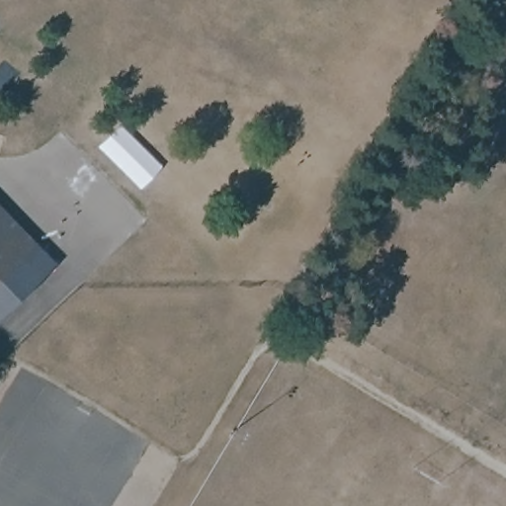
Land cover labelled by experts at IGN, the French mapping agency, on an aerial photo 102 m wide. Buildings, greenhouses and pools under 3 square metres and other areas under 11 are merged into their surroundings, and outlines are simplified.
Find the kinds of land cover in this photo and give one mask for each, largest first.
<instances>
[{"label":"herbaceous vegetation","instance_id":"1","mask_svg":"<svg viewBox=\"0 0 506 506\"><path fill-rule=\"evenodd\" d=\"M449 6V0H0V95L12 101L16 107H22L24 111L20 113L18 121L0 123V158L24 156L45 146L55 134H67L71 140L69 148H73L81 156L83 164L93 166V170L97 172V182L117 188L144 217V223L138 227L136 233H132L117 251H107L103 259L97 263V267L83 277V283H79L77 287L79 293L69 298L57 312H53L49 320L42 322L32 340L16 348L14 364L26 362L42 370L49 374L47 381L59 387L63 393L79 399V413L95 415L99 411L113 423L121 425L128 433L136 435L142 441V447L146 449L148 445H156L158 449L176 457V468L154 506H506V476L488 468L486 464L478 463L474 457L463 453L453 443L437 437L435 433L421 427V423H415L409 417L397 413L395 409L383 405L378 399L370 397L356 385H352L350 381L338 378L334 372L320 366V358H308L306 362H285L279 360L269 348L263 356L257 358L247 378L243 379L239 391L229 403L227 411L223 413L219 425L215 427L208 445L200 451L196 459L184 461V455L190 453L202 439L215 411L221 407L227 391L231 389L245 362L249 360L251 352L255 350V346H259L257 338L263 332L267 312L273 308L275 300L283 296L285 285L306 269L304 255L314 249L322 259L334 263L336 271L328 275H318L306 287V291L314 298H320L326 291L338 293L342 298V304L334 314V338H330L324 344V354L328 360H334L340 366H346L358 376L378 385L381 391L391 393L401 403L429 415L449 431H455L472 447H478L506 463V0H486L478 2L476 6L500 34L504 47V61H490L482 67H472L464 63L463 57L455 49L451 36H457V26L443 16L445 8ZM45 24L53 32L63 36L61 45L43 47L38 32ZM433 32L445 38L441 43L445 55V67L439 75L441 81H449L453 87H459L463 83L464 73H482L484 87L492 89V97L496 99V103L494 115L488 126L490 136L472 134L474 117L478 111L476 105L443 101L427 111V119L429 123L447 126L449 132L459 136V144H447L441 134L425 132L403 119L395 128V132L399 134V146L395 150L391 146L381 148V154H385L391 164L385 166L378 158L372 162V168L376 174L405 178L407 168L419 166L411 140V136H419L423 138V142L433 144L443 154H449L451 162L459 166H466V160L472 154V150L486 152L488 156L482 168H478L476 172L484 174L488 180L480 186L459 182L443 200H423L417 210H411L403 206V202L393 200V190L389 188L364 190L362 194H354V198L364 200L368 204V208L354 210V217L360 223V233L366 237L368 233L376 231L378 243L370 245L368 249V257L372 261H368L360 269L350 267V231L336 229L342 237L340 245L332 243L330 235L326 233L330 229V210L336 206L334 188L338 180L346 178L352 156L356 152H362L372 142L374 130L389 117L387 109L395 81L405 73L409 63L417 57L425 38H429ZM38 55H42L43 61L51 65V71L36 81H30L36 73L32 61ZM109 83L121 89H132L130 97L140 95L142 109L152 115L140 126V132L132 134L162 164L158 174L146 188H136V184L125 172L101 150V144L107 136L95 130L93 119L97 113L105 109L103 89L109 87ZM257 115L269 125L281 123L285 144L291 146V150L271 166L269 174L263 170H249L239 144V132ZM178 123H184L186 128H196L198 136L210 146L202 158L180 160L172 154L170 136ZM223 186H227L231 194L237 200H241L243 210L249 211V217H253V221L243 225L237 235H213L204 221L211 194L221 190ZM358 281L362 285L364 296L372 300V306L360 302V308H356L352 298L346 293L348 283ZM356 312H360V316H364L366 322L372 324V330L362 344L348 342L350 320Z\"/></svg>","mask_w":506,"mask_h":506},{"label":"deciduous trees","instance_id":"2","mask_svg":"<svg viewBox=\"0 0 506 506\"><path fill-rule=\"evenodd\" d=\"M478 2L486 0H449V6L445 8L443 16L457 26V36H451L455 49L463 57L464 63L472 67H482L490 61H504V47L500 34L476 6ZM43 47L61 45L63 36L53 32L45 24L38 32ZM445 38L433 32L429 38H425L417 57L409 63L405 73L395 81L387 109L389 117L374 130L372 142L362 152H356L352 156L346 178L338 180L334 188L336 206L330 210V229L326 233L330 235L332 243L340 245L342 237L336 229L350 231V267L360 269L368 261H372L368 257V249L370 245L378 243L376 231L368 233L366 237L360 233V223L354 217V210L368 208V204L364 200L354 198V194H362L364 190L389 188L393 190V200L403 202V206L411 210H417L423 200H443L459 182L480 186L488 180L484 174L476 172L478 168H482L488 156L486 152L472 150V154L466 160V166H459L451 162L449 154H443L433 144L423 142V138L419 136H411V140L419 166L407 168L405 178L376 174L372 168V162L378 158L385 166L391 164L385 154H381V148L391 146L395 150L399 146V134L395 132V128L403 119L425 132L441 134L447 144H459V136L449 132L447 126L429 123L427 119V111L443 101L476 105L478 111L474 117L472 134L490 136L488 126L494 115L496 103V99L492 97V89L484 87L482 73H464L463 83L459 87H453L449 81H441L439 75L445 67V55L441 43ZM36 73L30 81H36L51 71V65L43 61L42 55H38L32 61ZM132 89H121L109 83V87L103 89L105 109L97 113L93 119L95 130L107 136L115 132V126H125L132 134L140 132V126L152 115L142 109L140 95L130 97ZM20 113L24 111L22 107H16L12 101L0 95V123L18 121ZM239 144L249 170H263L269 174L271 166L291 150V146L285 144L281 123L269 125L257 115L239 132ZM210 146L198 136L196 128H186L184 123H178L170 136L172 154L180 160L202 158ZM204 221L213 235H237L243 225L253 221V217H249V211L243 210L241 200H237L231 194L227 186H223L221 190L211 194ZM306 269L285 285L283 296L275 300L273 308L267 312L263 332L257 338L259 346L267 342L269 348L279 360L285 362H306L308 358H320L324 354V344L330 338H334V314L342 304V298L338 293L326 291L320 298H314L306 291V287L318 275H328L336 271L334 263L322 259L314 249L304 255ZM346 293L352 298L356 308H360V302L372 306V300L364 296L362 285L358 281L348 283ZM372 330V324L366 322L364 316H360V312H356L350 320L348 342L362 344Z\"/></svg>","mask_w":506,"mask_h":506},{"label":"impervious surface","instance_id":"3","mask_svg":"<svg viewBox=\"0 0 506 506\"><path fill-rule=\"evenodd\" d=\"M71 140L67 134H55L45 146L24 156L0 158V206L14 217V221L28 235H32V239L45 233L65 253V259L51 271L49 279L42 287L36 289L26 300H20V308H16L10 316H6L0 322V379L6 376V372L14 364L16 348L32 340L42 322L49 320L53 312H57L69 298L79 293L77 287L79 283H83V277L97 267V263L103 259L107 251H117L132 233H136L138 227L144 223V217L117 188L97 182V172L93 170V166L83 164L81 156L73 148H69ZM79 399L63 393L59 387L47 381L24 370L18 374V378L0 401V506H113L126 480L130 478L134 466L146 453V449L142 447V441L136 435L128 433L121 425L113 423L99 411L95 415L79 413Z\"/></svg>","mask_w":506,"mask_h":506},{"label":"pervious surface","instance_id":"4","mask_svg":"<svg viewBox=\"0 0 506 506\"><path fill-rule=\"evenodd\" d=\"M269 348L267 342L259 346H255V350L251 352L249 360L245 362L231 389L227 391L221 407L215 411L202 439L190 453L184 455V461L196 459L200 451L208 445L215 427L219 425L223 413L227 411L229 403L239 391L243 379L247 378L257 358L263 356ZM320 366L334 372L338 378L350 381L352 385H356L370 397L378 399L383 405L395 409L397 413L409 417L415 423H421V427L435 433L437 437L453 443L463 453L474 457L478 463L486 464L488 468L506 476V463L478 447H472L455 431H449L429 415L401 403L391 393L381 391L378 385L358 376L346 366H340L334 360H328L324 354L320 358ZM24 370L47 381L49 374L42 370L26 362L14 364L6 372V376L0 379V401L18 378V374ZM176 468V457L158 449L156 445H148L146 449V453L134 466L130 478L126 480L113 506H154Z\"/></svg>","mask_w":506,"mask_h":506},{"label":"building","instance_id":"5","mask_svg":"<svg viewBox=\"0 0 506 506\"><path fill-rule=\"evenodd\" d=\"M101 150L125 172L136 184V188H146L158 174L162 164L132 134L125 126H115V132L107 136L101 144ZM65 259V253L45 233L32 239V235H28L14 221V217L0 206V322L6 316H10L16 308H20V300H26L36 289L42 287L49 279L51 271Z\"/></svg>","mask_w":506,"mask_h":506}]
</instances>
